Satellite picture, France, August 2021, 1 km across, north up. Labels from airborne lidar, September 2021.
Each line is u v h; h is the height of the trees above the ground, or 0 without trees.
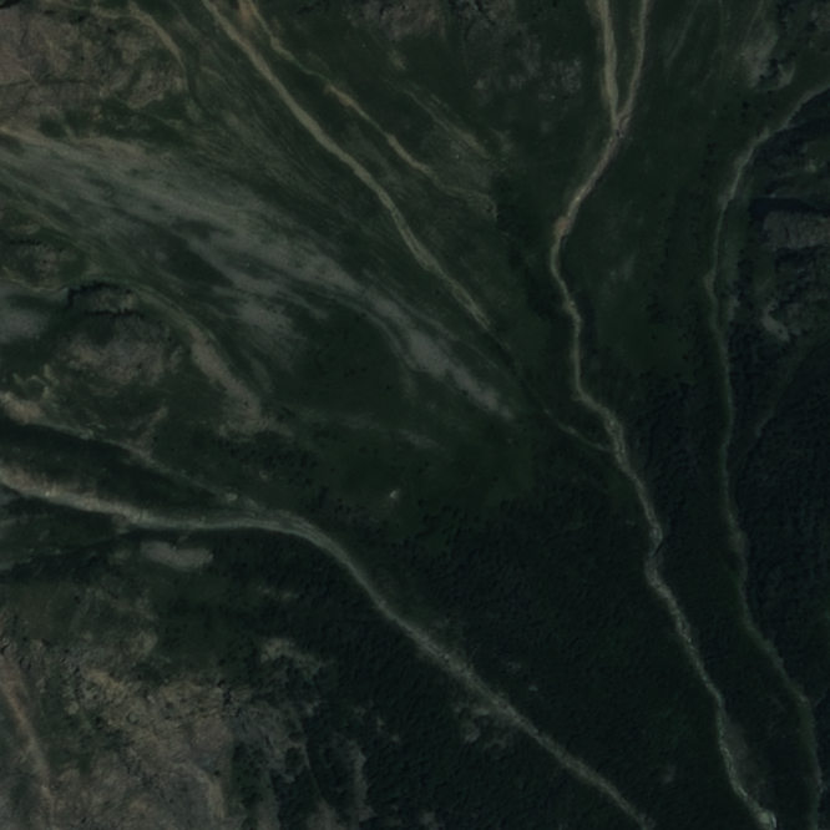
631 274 0
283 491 0
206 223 0
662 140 0
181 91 0
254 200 0
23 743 0
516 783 21
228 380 0
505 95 0
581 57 0
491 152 0
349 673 10
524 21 0
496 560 14
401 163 0
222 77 0
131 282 0
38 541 0
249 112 0
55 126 0
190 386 0
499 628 11
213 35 0
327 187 0
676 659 14
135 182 0
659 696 14
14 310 0
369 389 0
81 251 0
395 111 0
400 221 0
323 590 17
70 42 0
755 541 18
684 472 12
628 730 11
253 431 0
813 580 31
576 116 0
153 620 0
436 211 0
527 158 0
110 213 0
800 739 14
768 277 0
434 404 0
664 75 0
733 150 0
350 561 0
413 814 28
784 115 0
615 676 10
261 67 0
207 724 0
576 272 0
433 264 0
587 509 8
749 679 12
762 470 10
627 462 0
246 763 9
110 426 0
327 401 0
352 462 0
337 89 0
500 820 22
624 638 13
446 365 0
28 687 0
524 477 0
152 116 0
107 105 0
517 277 0
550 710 8
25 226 0
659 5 0
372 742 13
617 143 0
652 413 8
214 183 0
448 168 0
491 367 0
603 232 0
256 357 0
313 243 0
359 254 0
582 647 11
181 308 0
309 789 20
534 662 12
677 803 18
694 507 11
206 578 0
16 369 0
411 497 0
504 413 0
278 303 0
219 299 0
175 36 0
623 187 0
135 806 0
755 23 0
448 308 0
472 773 23
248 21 0
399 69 0
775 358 9
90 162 0
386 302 0
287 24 0
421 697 19
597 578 8
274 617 11
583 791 11
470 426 0
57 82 0
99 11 0
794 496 10
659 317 9
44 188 0
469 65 0
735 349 10
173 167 0
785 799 10
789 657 16
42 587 0
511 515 8
